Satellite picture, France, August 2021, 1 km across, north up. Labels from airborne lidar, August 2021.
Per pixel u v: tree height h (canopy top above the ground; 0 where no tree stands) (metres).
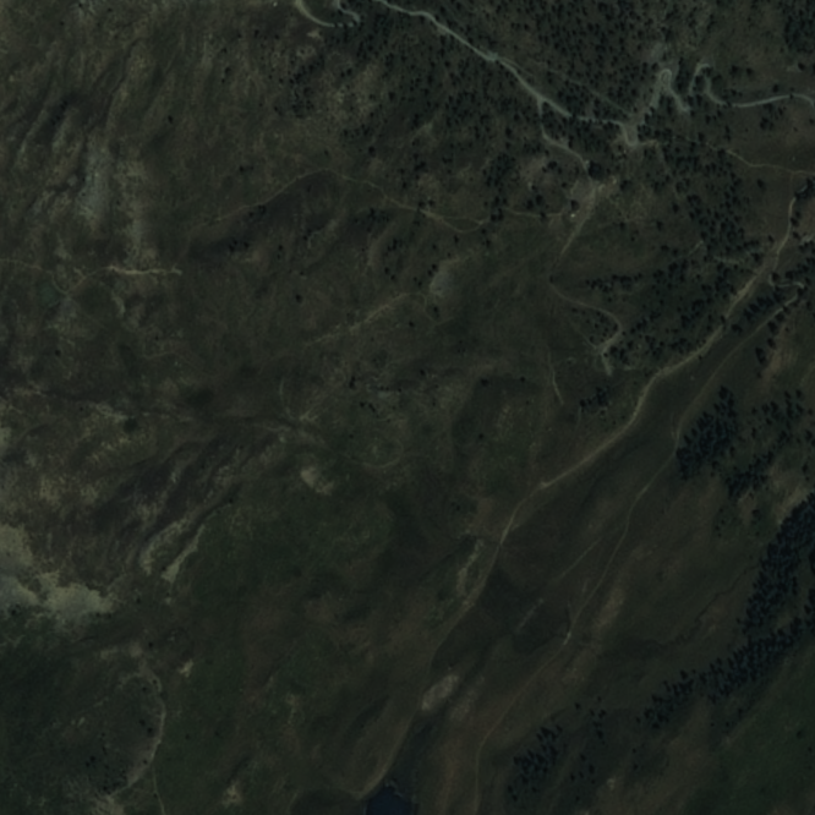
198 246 0
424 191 0
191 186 0
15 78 0
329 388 0
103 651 0
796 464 0
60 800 0
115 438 0
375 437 0
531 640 0
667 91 0
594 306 0
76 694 0
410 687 0
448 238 0
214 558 0
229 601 0
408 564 0
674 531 0
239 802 0
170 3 0
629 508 0
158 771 0
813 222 0
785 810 0
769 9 0
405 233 0
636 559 0
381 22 8
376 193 0
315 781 0
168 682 0
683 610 0
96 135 0
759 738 0
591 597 0
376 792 0
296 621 0
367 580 0
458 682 0
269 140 0
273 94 0
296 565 0
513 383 0
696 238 0
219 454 0
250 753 0
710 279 0
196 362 0
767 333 0
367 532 0
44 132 0
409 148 0
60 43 0
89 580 0
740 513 0
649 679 0
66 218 0
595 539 0
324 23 0
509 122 0
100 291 0
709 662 0
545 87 0
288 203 0
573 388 0
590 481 0
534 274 0
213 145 0
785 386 0
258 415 0
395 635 0
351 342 0
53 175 0
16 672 0
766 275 0
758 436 14
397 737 0
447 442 0
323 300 0
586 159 0
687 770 0
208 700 0
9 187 0
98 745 0
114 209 0
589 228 0
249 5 0
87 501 0
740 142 0
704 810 0
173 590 0
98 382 0
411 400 0
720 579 0
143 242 0
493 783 0
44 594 0
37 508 0
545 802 0
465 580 0
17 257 0
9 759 0
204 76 0
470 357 0
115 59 0
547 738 8
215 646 0
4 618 0
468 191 0
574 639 0
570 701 0
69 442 0
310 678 0
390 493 0
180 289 0
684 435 0
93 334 0
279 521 0
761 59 0
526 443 0
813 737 0
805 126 0
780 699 0
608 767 0
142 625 0
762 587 7
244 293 0
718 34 0
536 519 0
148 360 0
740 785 0
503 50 0
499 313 0
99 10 0
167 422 0
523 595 0
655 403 0
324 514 0
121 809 0
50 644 0
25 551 0
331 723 0
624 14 8
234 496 0
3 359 0
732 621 0
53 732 0
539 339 0
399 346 0
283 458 0
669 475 0
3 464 0
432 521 0
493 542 0
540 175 0
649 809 0
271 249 0
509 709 0
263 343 0
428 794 0
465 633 0
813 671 0
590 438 0
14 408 0
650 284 0
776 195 0
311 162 0
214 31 0
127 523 0
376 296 0
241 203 0
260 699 0
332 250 0
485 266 0
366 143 0
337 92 0
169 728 0
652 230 0
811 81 0
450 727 0
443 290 0
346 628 0
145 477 0
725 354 0
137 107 0
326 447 0
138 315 0
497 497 0
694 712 0
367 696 0
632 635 0
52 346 0
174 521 0
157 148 0
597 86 7
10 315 0
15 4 0
